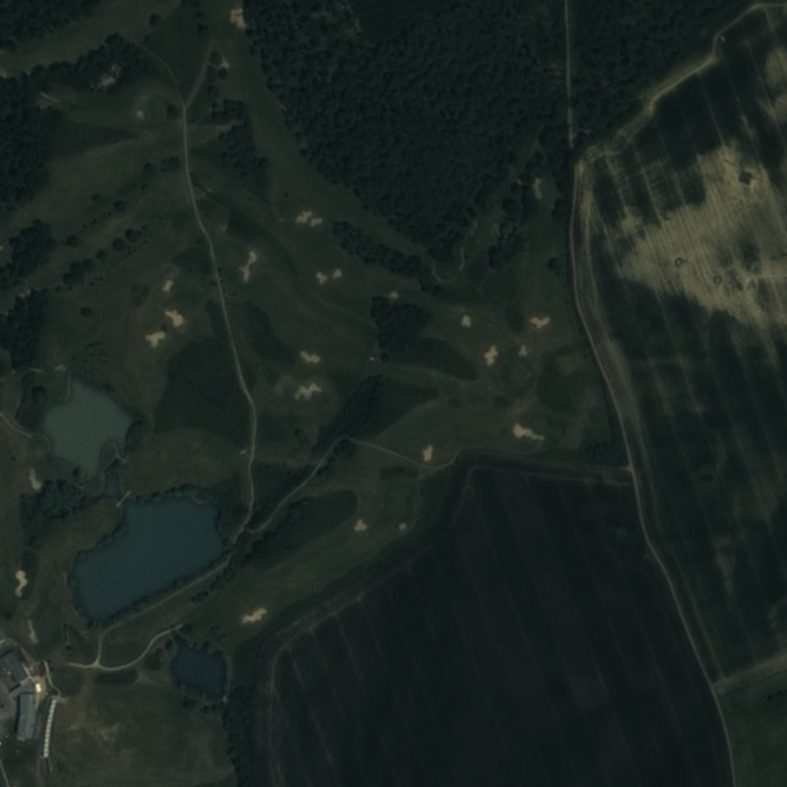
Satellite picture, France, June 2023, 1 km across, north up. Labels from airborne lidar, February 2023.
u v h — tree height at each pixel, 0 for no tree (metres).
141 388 0
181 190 0
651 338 0
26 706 0
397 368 0
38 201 0
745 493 0
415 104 24
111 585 0
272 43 23
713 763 0
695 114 0
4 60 0
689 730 0
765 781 0
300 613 0
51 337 0
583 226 0
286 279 0
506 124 25
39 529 0
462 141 21
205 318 0
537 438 0
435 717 0
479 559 0
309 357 0
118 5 0
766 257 0
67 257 0
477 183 29
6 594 0
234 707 7
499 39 23
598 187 0
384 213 21
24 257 22
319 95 21
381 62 23
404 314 13
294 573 0
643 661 0
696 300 0
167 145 0
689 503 0
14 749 0
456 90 21
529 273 0
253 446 0
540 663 0
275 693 0
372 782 0
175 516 0
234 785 0
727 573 0
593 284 0
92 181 0
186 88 0
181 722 0
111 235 0
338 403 0
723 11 17
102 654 0
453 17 22
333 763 0
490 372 0
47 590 0
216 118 13
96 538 0
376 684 0
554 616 0
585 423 0
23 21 12
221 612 0
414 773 0
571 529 0
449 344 0
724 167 0
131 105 0
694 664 0
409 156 24
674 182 0
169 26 0
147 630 0
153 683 0
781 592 0
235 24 0
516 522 0
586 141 19
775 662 0
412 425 0
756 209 0
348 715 0
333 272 0
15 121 23
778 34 0
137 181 0
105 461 0
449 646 0
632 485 0
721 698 0
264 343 0
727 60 0
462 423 0
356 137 25
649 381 0
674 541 0
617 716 0
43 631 0
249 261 0
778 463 0
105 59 18
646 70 22
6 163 31
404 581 0
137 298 0
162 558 0
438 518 0
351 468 0
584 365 0
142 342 0
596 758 0
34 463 0
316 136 21
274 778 0
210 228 0
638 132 0
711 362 0
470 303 0
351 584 0
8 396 0
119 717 0
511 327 0
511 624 0
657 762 0
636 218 0
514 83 20
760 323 0
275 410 0
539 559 0
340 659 0
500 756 0
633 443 0
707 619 0
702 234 0
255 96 0
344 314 0
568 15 0
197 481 0
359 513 0
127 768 0
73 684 0
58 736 0
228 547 9
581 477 0
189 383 0
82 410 0
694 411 0
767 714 0
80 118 0
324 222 0
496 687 0
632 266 0
